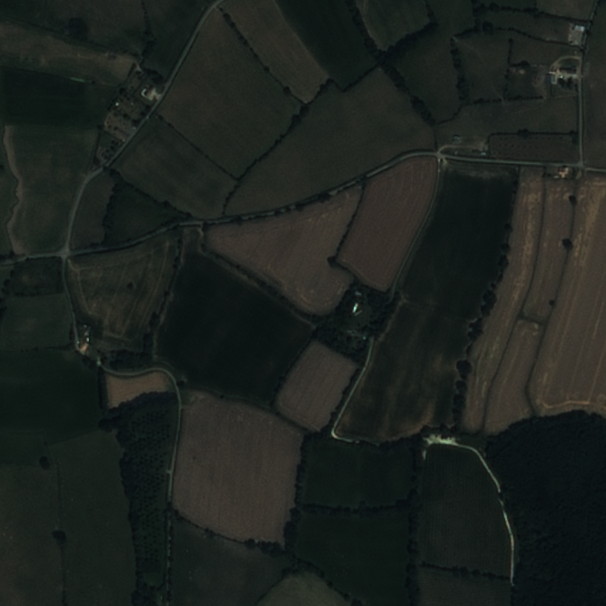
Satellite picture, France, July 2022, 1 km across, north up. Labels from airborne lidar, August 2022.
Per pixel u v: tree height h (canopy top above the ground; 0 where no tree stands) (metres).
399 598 0
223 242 0
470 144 0
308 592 0
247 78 0
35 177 0
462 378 13
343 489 0
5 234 0
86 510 0
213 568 0
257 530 0
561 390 0
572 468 21
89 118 0
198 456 0
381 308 7
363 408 0
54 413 0
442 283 0
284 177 0
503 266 14
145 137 0
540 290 0
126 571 0
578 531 21
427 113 13
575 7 0
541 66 0
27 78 0
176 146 0
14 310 0
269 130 0
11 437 0
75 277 0
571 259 0
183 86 0
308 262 0
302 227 0
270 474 0
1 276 0
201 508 0
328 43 0
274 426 0
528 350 0
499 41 0
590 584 23
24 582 0
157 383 0
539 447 20
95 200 0
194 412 0
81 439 0
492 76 0
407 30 0
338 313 13
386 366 0
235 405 0
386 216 0
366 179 7
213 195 0
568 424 19
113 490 0
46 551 0
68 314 0
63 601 6
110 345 0
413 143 0
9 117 0
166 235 0
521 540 14
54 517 0
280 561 0
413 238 0
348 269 6
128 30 0
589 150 0
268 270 0
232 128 0
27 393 0
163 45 0
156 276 0
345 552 0
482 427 0
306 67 0
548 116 0
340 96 0
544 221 0
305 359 0
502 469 19
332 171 0
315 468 0
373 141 0
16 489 0
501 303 0
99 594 0
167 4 0
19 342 0
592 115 0
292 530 20
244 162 0
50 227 0
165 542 6
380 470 0
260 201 0
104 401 23
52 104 0
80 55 0
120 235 0
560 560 21
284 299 8
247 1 0
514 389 0
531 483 23
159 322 10
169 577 8
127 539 0
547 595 21
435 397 0
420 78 0
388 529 0
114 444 0
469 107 0
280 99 0
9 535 0
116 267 0
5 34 0
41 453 0
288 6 0
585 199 0
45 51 0
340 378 0
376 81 0
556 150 0
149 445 8
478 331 21
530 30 0
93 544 0
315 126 0
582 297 0
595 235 0
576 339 0
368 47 14
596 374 0
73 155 0
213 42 0
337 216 0
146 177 0
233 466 0
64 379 0
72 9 0
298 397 0
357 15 16
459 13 0
